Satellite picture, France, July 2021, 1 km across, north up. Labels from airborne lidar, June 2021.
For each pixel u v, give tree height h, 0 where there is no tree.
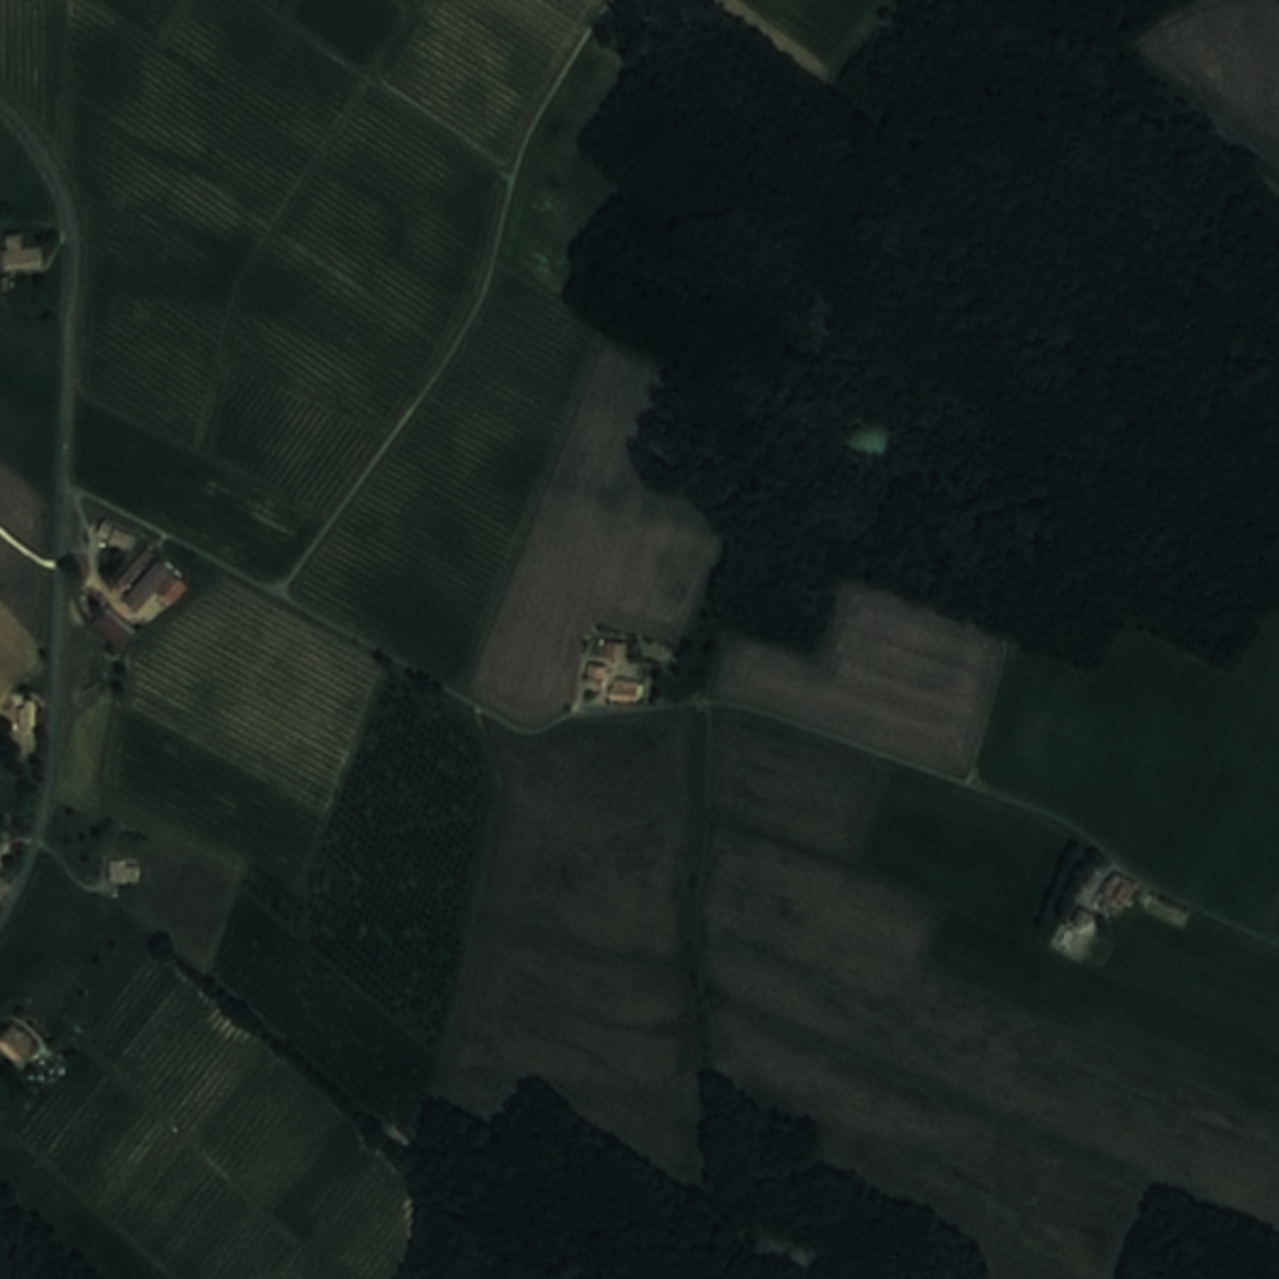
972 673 0
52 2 0
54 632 0
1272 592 22
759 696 0
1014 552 31
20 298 0
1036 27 26
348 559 0
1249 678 0
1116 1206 0
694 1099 0
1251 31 0
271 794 0
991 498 25
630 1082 0
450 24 0
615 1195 29
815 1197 22
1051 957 0
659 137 15
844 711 0
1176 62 0
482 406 0
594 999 0
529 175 0
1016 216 18
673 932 0
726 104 18
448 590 0
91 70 0
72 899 0
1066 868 14
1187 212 18
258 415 0
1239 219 17
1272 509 20
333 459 0
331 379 0
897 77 21
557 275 0
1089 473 26
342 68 0
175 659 0
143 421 0
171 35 0
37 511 0
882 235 23
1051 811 0
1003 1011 0
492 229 0
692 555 0
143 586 0
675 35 25
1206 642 14
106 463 0
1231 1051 0
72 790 0
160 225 0
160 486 0
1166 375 21
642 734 0
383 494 0
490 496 0
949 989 0
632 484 0
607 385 0
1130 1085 0
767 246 27
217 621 0
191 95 0
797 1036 0
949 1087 0
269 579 0
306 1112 0
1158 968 0
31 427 0
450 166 0
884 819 0
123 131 0
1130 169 16
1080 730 0
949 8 22
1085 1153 0
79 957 0
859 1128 0
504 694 0
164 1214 0
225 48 0
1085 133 19
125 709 0
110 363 0
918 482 26
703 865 0
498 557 0
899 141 23
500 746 0
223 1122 0
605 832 0
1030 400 26
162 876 0
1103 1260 0
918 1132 0
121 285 0
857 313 20
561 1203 21
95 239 0
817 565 23
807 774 0
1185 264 14
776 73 17
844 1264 22
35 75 0
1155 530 28
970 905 0
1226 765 0
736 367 20
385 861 5
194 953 0
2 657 0
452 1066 0
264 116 0
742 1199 16
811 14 0
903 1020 0
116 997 0
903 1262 17
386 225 0
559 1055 0
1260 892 0
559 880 0
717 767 0
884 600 0
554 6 0
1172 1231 21
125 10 0
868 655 0
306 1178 0
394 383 0
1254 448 23
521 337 0
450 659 0
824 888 0
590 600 0
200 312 0
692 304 24
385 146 0
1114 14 28
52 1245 14
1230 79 0
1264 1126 0
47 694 0
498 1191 20
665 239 15
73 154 0
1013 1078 0
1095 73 28
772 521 22
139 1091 0
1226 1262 27
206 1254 0
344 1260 0
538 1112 24
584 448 0
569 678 0
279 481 0
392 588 0
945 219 17
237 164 0
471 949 0
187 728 0
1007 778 0
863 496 23
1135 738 0
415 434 0
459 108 0
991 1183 0
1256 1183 0
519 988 0
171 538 0
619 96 14
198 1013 0
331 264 0
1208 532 26
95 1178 0
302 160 0
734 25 12
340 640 0
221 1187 0
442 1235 21
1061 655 14
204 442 0
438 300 0
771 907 0
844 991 0
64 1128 0
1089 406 24
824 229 22
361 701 0
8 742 14
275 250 0
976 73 23
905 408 22
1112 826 0
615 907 0
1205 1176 0
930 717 0
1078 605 22
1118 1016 0
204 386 0
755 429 27
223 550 0
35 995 0
